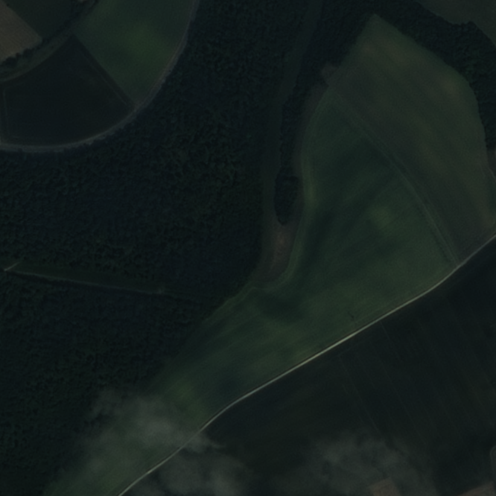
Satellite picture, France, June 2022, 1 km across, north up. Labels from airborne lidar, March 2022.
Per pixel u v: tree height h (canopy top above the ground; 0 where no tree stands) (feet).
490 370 0
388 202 0
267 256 0
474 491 0
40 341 47
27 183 75
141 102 0
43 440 28
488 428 0
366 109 0
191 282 70
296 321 0
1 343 21
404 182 0
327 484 0
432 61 0
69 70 0
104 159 71
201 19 19
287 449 0
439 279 0
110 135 0
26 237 85
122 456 0
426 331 0
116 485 0
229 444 0
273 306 0
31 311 74
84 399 33
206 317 29
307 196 0
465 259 0
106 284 0
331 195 0
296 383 0
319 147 0
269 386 0
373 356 0
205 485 0
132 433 0
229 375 0
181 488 0
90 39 0
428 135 0
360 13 48
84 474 0
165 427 0
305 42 0
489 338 0
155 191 92
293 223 0
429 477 0
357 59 0
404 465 0
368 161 0
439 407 0
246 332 0
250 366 0
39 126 0
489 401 0
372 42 0
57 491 0
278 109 0
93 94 0
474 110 0
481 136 0
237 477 0
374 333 0
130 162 94
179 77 74
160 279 61
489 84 51
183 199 62
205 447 0
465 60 63
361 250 0
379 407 0
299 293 0
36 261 52
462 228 0
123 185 74
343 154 0
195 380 0
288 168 26
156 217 85
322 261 0
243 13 56
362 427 0
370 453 0
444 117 0
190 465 0
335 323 0
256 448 0
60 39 0
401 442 0
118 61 0
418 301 0
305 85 18
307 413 0
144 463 0
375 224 0
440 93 0
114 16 0
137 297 68
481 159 0
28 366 24
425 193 0
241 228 66
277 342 0
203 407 0
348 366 0
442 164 0
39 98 0
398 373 0
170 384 0
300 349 0
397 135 0
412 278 0
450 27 54
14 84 0
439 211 0
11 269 0
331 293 0
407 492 0
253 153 69
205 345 0
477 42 76
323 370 0
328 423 0
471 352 0
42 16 0
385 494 0
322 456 0
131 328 68
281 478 0
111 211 72
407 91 0
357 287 0
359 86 0
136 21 0
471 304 0
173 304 59
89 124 0
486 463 0
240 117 62
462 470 0
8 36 0
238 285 59
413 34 45
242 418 0
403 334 0
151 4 0
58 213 91
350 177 0
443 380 0
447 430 0
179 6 0
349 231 0
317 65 59
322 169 0
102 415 77
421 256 0
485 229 0
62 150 0
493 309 0
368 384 0
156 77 0
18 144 0
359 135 0
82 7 29
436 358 0
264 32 53
